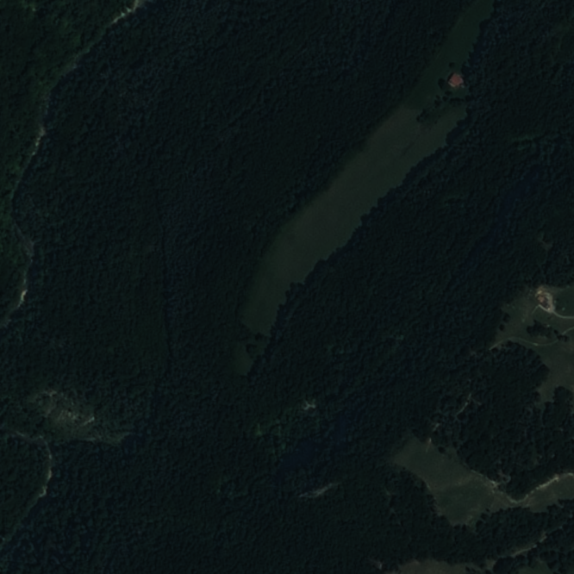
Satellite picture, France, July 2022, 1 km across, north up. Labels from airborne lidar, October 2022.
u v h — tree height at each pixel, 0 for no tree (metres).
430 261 27
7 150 32
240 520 24
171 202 15
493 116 25
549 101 27
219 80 30
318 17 30
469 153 27
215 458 33
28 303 14
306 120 28
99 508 31
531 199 19
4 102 21
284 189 29
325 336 29
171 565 30
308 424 19
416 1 35
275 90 32
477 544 25
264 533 28
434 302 22
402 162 0
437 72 0
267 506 23
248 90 31
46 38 16
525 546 19
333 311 28
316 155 34
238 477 22
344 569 23
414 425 20
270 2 28
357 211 0
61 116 30
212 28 30
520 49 24
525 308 0
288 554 16
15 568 14
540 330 17
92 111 8
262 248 16
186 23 35
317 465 10
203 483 32
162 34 16
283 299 0
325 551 20
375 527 17
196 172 24
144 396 17
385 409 14
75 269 27
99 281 26
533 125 25
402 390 13
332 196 0
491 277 16
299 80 32
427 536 23
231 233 33
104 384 21
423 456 0
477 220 28
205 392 20
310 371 28
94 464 20
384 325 19
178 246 21
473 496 0
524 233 19
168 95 26
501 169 31
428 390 19
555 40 27
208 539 36
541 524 13
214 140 27
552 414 17
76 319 18
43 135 0
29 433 27
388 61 33
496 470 9
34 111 25
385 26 27
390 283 29
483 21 0
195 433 31
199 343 25
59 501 23
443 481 0
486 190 31
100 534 28
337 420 17
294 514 20
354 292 31
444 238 26
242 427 24
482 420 19
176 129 26
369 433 15
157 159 31
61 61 27
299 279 0
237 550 28
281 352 21
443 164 26
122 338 21
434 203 32
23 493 24
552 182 20
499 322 16
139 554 24
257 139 26
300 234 0
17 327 23
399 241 31
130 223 28
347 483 17
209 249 24
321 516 19
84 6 15
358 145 23
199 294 29
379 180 0
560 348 0
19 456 30
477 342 13
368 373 22
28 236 19
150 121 28
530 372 17
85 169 19
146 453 15
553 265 21
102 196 25
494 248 13
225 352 23
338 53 18
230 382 21
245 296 21
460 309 14
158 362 12
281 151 30
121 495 25
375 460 14
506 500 0
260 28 34
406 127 0
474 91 16
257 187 31
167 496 26
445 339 16
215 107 26
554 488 0
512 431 14
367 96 35
